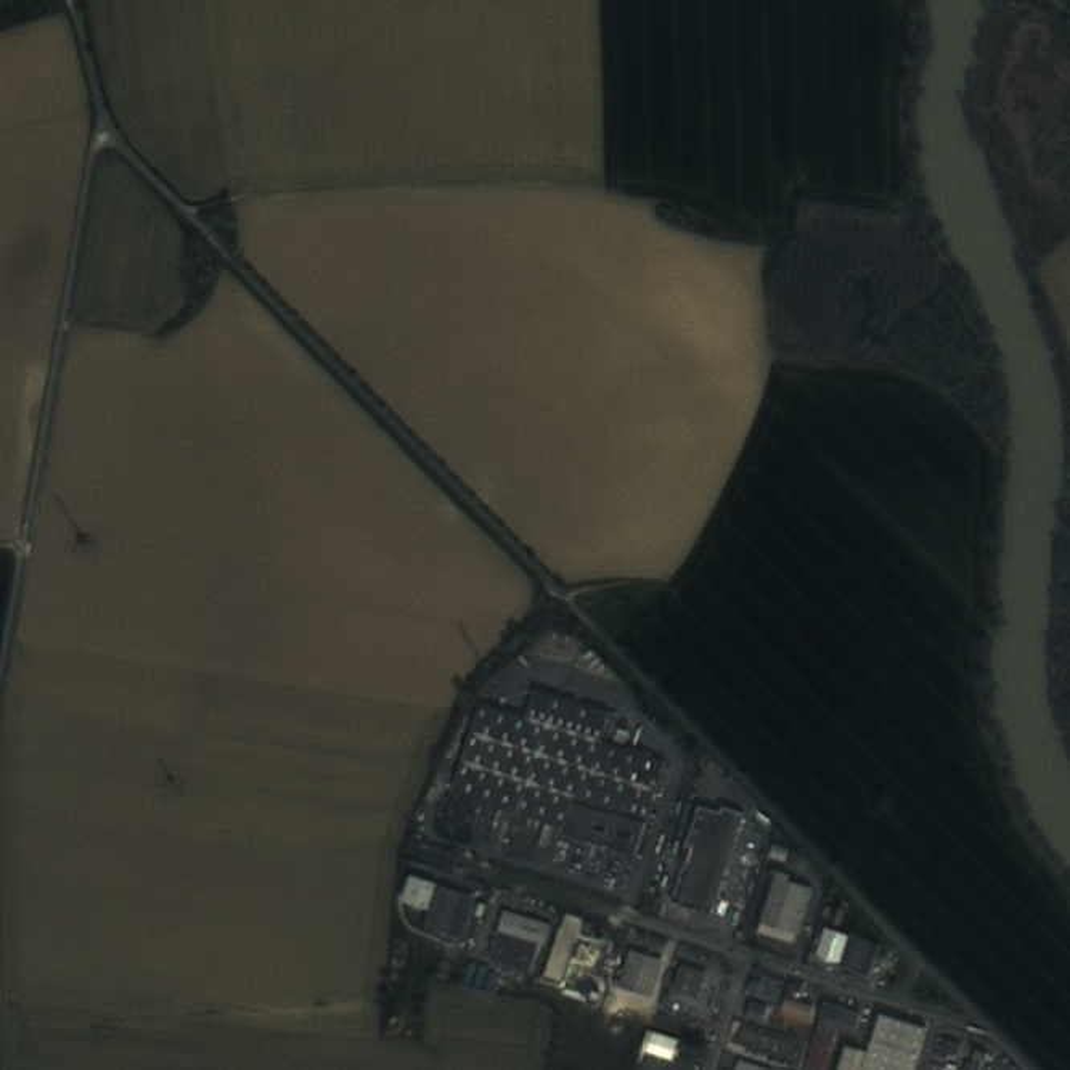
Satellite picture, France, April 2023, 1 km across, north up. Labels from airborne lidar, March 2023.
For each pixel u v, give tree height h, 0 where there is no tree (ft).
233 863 0
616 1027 0
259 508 0
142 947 0
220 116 0
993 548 27
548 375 0
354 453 0
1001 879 0
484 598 0
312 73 0
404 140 0
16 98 0
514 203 0
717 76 0
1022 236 27
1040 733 0
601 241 0
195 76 0
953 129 0
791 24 0
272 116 0
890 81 0
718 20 0
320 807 0
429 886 0
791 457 0
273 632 0
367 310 0
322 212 0
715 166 0
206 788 0
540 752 0
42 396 0
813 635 0
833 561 0
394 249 0
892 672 0
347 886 0
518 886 0
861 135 0
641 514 0
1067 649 70
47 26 0
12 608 0
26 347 0
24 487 0
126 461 0
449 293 0
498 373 0
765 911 0
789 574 0
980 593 0
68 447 0
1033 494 0
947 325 69
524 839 0
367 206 0
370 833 0
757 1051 0
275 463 0
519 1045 0
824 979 0
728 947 0
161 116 0
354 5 0
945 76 0
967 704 0
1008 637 0
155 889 0
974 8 0
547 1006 0
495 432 0
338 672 0
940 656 0
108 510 0
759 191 0
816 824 0
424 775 0
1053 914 0
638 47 0
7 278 0
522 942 0
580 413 0
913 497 0
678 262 0
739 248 0
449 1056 0
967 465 0
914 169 49
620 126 0
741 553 0
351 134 0
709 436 0
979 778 0
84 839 0
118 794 0
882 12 0
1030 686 0
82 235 0
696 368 0
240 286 0
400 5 0
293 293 0
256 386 0
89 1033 0
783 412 0
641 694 33
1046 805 0
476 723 0
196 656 0
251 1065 0
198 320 0
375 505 0
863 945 0
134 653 0
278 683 0
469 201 0
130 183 0
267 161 0
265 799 0
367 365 0
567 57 0
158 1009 0
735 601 0
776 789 0
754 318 0
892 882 0
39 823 0
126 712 0
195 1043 0
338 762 0
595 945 0
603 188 0
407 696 0
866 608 0
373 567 0
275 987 0
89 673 0
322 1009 0
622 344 0
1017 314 0
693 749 29
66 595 0
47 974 0
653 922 0
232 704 0
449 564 0
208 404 0
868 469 0
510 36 0
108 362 0
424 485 0
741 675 0
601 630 0
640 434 0
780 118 0
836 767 0
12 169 0
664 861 0
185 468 0
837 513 0
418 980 0
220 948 0
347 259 0
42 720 0
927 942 0
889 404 0
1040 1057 0
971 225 0
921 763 0
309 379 0
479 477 0
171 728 0
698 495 0
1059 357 38
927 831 0
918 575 0
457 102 0
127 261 0
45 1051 0
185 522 0
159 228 0
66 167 0
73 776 0
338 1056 0
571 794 0
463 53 0
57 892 0
